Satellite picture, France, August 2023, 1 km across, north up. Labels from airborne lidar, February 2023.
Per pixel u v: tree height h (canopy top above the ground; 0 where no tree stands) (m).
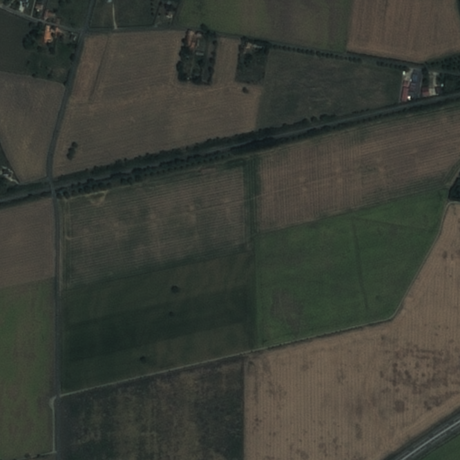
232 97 0
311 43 0
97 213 0
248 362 0
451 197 8
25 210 0
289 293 0
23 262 0
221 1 0
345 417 0
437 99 0
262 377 0
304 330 0
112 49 0
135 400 0
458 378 0
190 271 0
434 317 0
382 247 0
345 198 0
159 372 0
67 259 0
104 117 0
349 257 0
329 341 0
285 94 0
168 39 0
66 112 0
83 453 0
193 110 0
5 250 0
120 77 0
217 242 0
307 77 0
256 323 0
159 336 0
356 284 0
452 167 0
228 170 0
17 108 0
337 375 0
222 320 0
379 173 0
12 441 0
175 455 0
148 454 0
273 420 0
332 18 0
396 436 0
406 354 0
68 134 0
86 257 0
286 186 0
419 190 0
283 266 0
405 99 0
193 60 0
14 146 0
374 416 0
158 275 0
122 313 0
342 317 0
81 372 0
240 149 10
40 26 11
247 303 0
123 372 0
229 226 0
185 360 0
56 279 0
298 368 0
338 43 0
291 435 0
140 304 0
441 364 0
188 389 0
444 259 0
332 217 0
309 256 0
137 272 0
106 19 0
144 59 0
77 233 0
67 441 0
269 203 0
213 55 10
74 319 0
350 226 0
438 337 0
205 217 0
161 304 0
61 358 0
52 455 0
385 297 0
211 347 0
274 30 0
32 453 0
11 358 0
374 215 0
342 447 0
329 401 0
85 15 0
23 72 0
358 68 0
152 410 0
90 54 0
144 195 0
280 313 0
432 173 0
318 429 0
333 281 0
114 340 0
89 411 0
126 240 0
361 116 0
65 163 0
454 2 0
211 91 0
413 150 0
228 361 0
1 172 0
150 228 0
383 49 0
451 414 0
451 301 0
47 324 0
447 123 0
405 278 0
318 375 0
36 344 0
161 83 0
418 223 0
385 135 0
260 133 7
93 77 0
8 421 0
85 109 0
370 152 0
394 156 0
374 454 0
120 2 0
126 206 0
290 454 0
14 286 0
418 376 0
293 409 0
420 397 0
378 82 0
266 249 0
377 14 0
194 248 0
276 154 0
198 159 10
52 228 0
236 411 0
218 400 0
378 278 0
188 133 0
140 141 0
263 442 0
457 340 0
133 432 0
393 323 0
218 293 0
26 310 0
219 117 0
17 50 0
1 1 0
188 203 0
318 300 0
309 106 0
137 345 0
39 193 0
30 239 0
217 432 0
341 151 0
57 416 0
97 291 0
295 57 0
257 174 0
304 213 0
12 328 0
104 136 0
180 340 0
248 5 0
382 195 0
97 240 0
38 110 0
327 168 0
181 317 0
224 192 0
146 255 0
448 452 0
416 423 0
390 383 0
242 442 0
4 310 0
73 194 9
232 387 0
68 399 0
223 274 0
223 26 0
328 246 0
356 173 0
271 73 0
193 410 0
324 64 0
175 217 0
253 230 0
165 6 6
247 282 0
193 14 0
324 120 11
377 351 0
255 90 0
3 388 0
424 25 0
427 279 0
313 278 0
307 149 0
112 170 6
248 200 0
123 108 0
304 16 0
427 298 0
